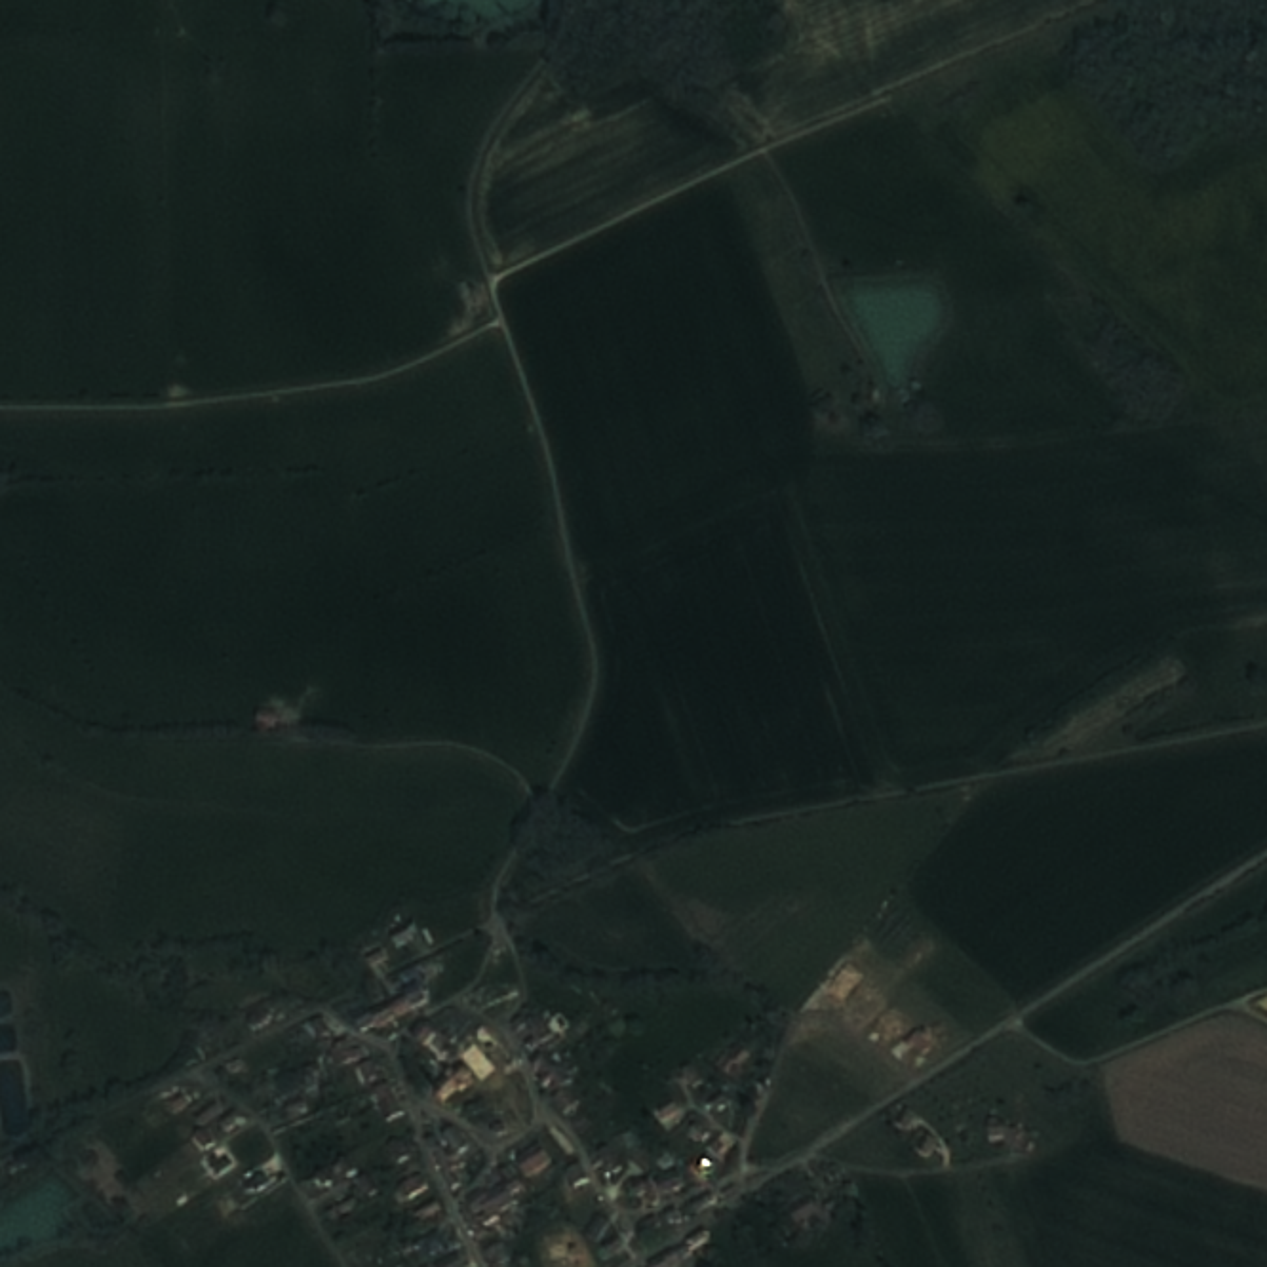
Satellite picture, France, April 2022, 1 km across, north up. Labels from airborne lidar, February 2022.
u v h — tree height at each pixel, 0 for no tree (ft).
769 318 0
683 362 0
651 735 0
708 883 0
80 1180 0
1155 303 0
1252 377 0
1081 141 0
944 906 0
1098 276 0
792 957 0
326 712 0
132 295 0
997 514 0
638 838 0
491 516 0
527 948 38
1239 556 0
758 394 0
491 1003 0
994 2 0
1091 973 0
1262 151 0
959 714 0
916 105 0
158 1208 0
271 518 0
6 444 0
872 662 0
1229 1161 0
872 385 25
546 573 0
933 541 0
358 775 0
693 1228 0
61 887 0
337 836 0
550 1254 0
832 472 0
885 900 0
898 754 0
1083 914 0
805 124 0
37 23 0
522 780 0
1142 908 0
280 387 0
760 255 0
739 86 0
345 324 0
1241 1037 0
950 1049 0
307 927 0
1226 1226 0
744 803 0
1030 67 0
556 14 60
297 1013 0
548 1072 0
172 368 0
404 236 0
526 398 0
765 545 0
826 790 0
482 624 0
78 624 0
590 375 0
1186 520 0
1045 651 0
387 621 0
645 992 56
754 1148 0
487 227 0
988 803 0
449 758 0
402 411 0
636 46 84
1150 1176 0
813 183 0
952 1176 0
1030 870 0
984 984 0
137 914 0
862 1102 0
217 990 0
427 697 0
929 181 0
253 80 0
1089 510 0
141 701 0
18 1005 0
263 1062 0
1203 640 0
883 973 0
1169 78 78
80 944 58
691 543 0
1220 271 0
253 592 0
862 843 0
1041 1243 0
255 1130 0
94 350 0
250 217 0
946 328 0
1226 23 65
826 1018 0
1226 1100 0
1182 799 0
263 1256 0
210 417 0
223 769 0
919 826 0
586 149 0
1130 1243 0
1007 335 0
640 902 0
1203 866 0
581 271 0
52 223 0
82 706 0
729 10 28
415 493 0
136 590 0
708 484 0
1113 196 0
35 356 0
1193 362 0
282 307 0
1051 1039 0
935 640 0
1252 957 0
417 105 0
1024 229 0
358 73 0
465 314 0
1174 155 44
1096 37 57
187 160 0
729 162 0
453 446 0
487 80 0
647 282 0
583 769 0
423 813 0
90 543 0
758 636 0
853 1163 0
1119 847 0
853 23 0
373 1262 0
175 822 0
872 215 0
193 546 0
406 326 0
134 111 0
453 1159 0
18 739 0
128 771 0
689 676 0
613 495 0
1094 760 0
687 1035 0
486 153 0
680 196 0
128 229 0
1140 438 0
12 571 0
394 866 0
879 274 0
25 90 0
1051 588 0
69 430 0
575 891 62
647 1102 0
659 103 0
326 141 0
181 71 0
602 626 0
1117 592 0
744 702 0
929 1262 0
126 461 0
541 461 0
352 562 0
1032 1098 0
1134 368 53
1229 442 0
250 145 0
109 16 0
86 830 0
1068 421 0
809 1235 28
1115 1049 0
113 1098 40
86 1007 0
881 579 0
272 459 0
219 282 0
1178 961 32
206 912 0
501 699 0
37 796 0
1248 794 0
